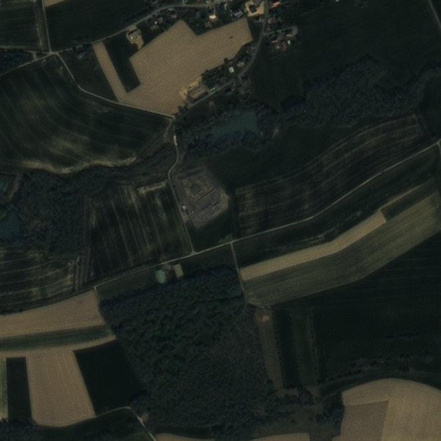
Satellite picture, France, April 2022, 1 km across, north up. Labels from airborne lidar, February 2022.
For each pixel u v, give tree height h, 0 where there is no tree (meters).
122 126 0
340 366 0
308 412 0
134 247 0
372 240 0
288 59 0
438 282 0
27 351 0
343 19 0
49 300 0
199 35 0
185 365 22
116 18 0
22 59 20
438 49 0
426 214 0
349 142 0
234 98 0
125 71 0
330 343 0
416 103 21
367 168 0
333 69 0
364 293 0
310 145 0
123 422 0
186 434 0
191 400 21
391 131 0
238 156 0
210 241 0
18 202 21
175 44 0
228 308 28
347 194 0
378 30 0
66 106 0
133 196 0
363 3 7
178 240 0
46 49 0
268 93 0
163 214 0
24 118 0
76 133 0
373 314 0
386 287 0
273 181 0
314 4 0
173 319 28
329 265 0
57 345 0
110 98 0
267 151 0
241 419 31
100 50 0
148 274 0
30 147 0
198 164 0
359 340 0
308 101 23
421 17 0
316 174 0
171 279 0
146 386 9
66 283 0
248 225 0
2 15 0
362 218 0
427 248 0
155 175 0
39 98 0
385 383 0
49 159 0
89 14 0
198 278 19
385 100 25
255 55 0
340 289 0
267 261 0
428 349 0
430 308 0
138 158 0
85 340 0
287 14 0
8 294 0
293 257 0
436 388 0
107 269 0
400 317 0
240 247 0
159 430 0
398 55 0
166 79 0
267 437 0
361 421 0
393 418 0
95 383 0
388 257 0
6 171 0
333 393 0
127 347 9
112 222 0
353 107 34
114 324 17
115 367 0
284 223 0
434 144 0
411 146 0
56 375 0
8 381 0
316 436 0
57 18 0
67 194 23
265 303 0
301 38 13
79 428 0
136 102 0
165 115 0
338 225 0
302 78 0
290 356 0
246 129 0
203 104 0
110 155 0
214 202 0
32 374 0
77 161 0
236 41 0
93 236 0
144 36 0
